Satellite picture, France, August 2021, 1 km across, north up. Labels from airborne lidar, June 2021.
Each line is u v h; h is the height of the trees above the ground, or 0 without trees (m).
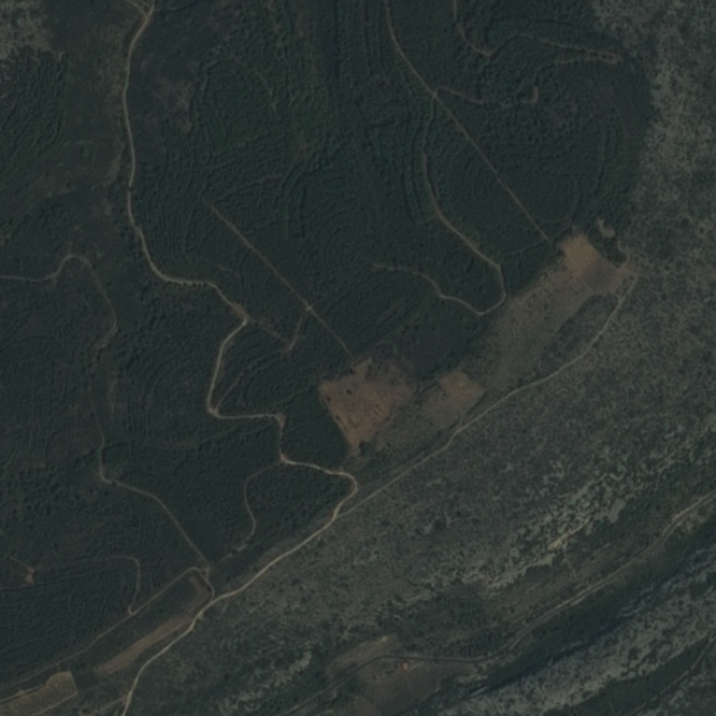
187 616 0
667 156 0
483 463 0
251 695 0
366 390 0
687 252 0
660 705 0
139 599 7
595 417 0
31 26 0
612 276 0
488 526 0
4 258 0
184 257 8
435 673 0
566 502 0
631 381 0
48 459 6
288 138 7
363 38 7
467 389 0
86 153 8
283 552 0
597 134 7
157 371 6
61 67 10
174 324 6
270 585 0
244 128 9
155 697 0
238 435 9
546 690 0
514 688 0
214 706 0
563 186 7
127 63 0
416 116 12
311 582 0
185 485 6
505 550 0
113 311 0
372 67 9
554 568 0
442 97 10
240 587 0
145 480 6
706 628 0
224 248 6
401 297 6
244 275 8
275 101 7
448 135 9
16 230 8
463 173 7
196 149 6
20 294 6
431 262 6
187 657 0
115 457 10
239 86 8
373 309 6
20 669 7
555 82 8
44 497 14
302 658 0
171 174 8
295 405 8
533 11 8
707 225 0
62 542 0
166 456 6
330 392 0
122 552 7
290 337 8
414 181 12
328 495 8
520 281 7
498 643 11
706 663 0
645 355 0
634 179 7
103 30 0
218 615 0
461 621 8
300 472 6
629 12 0
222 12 0
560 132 8
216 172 7
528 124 8
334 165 9
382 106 7
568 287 0
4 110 8
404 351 0
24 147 8
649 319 0
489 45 10
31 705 0
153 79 0
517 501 0
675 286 0
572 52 11
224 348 0
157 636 0
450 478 0
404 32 7
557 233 9
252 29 7
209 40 0
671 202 0
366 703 0
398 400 0
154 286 7
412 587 0
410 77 9
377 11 9
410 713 0
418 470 0
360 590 0
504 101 13
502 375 0
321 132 8
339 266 7
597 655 0
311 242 6
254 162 7
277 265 7
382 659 0
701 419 0
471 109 10
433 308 8
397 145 11
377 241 8
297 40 7
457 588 0
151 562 6
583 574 0
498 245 7
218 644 0
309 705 0
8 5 0
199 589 0
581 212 9
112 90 0
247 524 6
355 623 0
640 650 0
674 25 0
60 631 6
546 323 0
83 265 0
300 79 11
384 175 12
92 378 10
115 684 0
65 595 7
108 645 0
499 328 0
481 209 7
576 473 0
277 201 7
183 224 6
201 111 9
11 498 7
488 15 7
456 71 9
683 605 0
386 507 0
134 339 14
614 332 0
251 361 6
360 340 8
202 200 7
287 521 11
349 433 0
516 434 0
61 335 6
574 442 0
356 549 0
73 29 0
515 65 10
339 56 12
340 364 7
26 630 6
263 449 6
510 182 7
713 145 0
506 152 9
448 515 0
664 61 0
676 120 0
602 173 9
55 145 7
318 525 0
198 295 9
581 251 0
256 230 6
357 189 8
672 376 0
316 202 7
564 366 0
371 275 5
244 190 7
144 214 6
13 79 6
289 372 6
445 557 0
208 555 0
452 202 8
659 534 10
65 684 0
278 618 0
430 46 9
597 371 0
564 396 0
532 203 6
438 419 0
